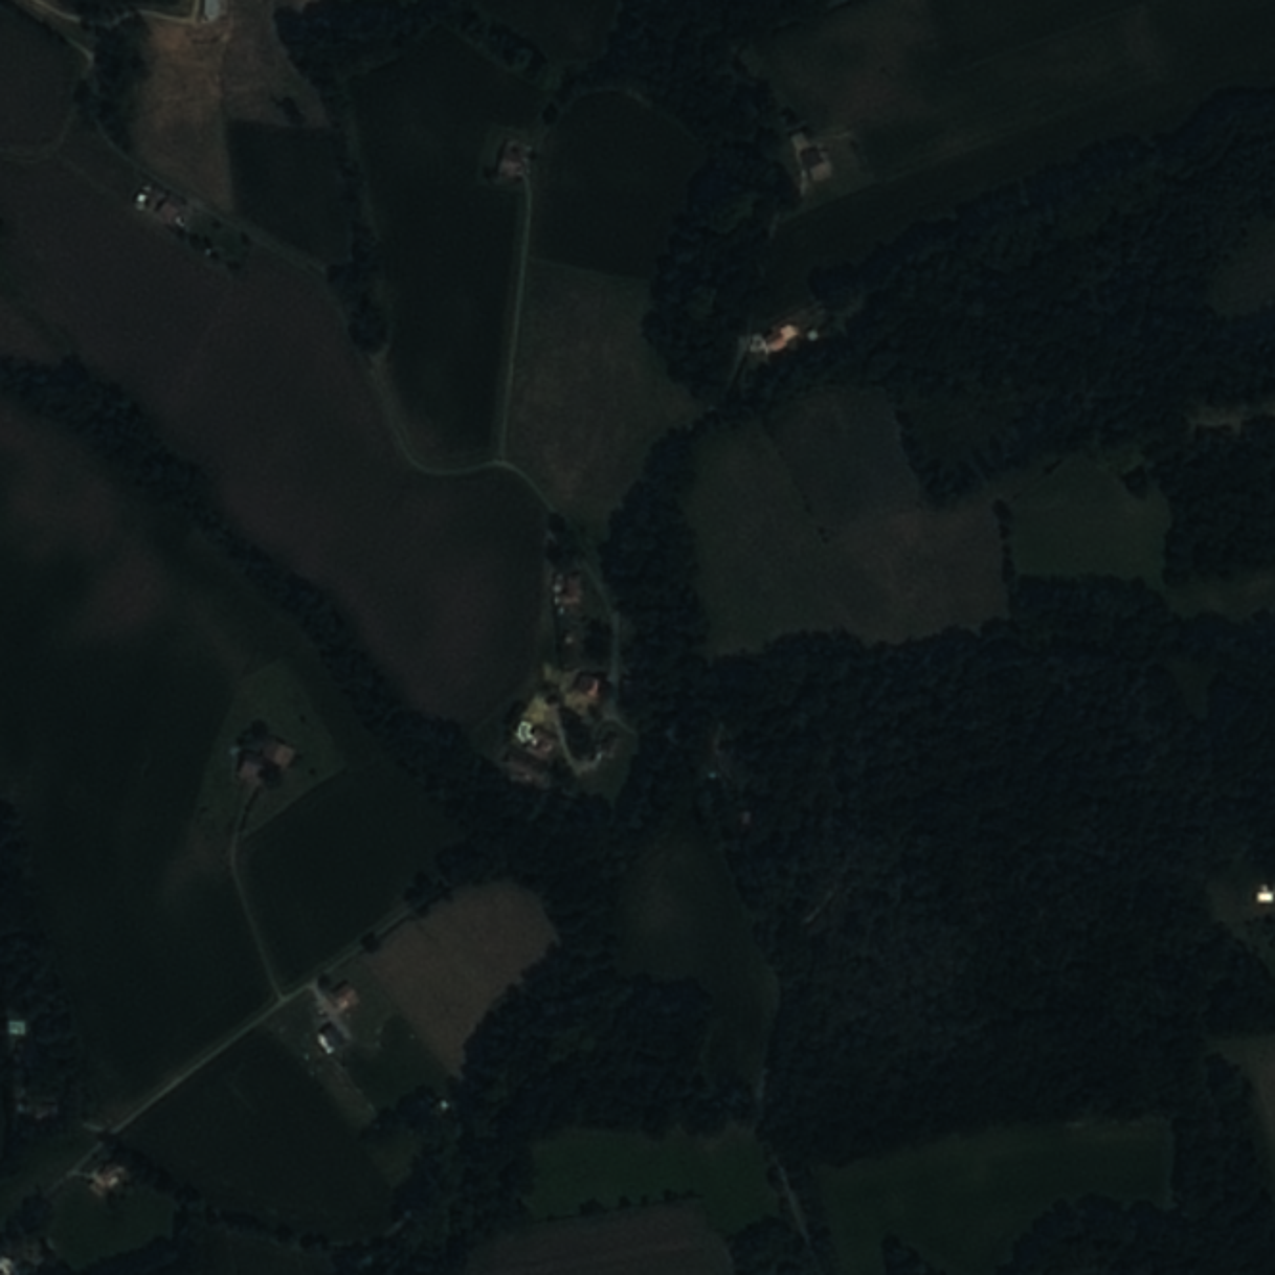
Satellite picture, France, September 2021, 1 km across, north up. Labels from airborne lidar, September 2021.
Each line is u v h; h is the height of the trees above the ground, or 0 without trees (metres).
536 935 0
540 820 22
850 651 16
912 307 22
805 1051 14
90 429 20
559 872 23
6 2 10
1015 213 30
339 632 21
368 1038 0
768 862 20
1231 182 19
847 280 19
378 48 23
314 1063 0
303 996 0
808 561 0
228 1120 0
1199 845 20
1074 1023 25
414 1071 0
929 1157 0
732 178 22
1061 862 23
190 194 0
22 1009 24
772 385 20
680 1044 27
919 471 17
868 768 10
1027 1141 0
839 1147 21
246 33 0
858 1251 0
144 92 0
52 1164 0
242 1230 16
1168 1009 16
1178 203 18
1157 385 19
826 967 11
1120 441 29
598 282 0
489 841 23
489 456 0
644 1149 0
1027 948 24
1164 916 22
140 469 20
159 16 0
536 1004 21
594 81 17
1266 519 19
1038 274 26
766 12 21
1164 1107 23
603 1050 22
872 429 0
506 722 9
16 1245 12
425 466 0
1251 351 20
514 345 0
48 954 6
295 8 0
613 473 0
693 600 15
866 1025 13
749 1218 0
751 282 20
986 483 18
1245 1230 25
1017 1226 0
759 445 0
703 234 21
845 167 0
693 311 26
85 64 0
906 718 15
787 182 19
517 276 0
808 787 16
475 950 0
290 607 18
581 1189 0
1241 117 24
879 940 19
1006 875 22
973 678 19
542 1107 27
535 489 0
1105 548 0
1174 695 18
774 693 13
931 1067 17
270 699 0
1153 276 14
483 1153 28
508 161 0
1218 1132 16
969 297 21
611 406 0
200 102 0
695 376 9
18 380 6
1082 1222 11
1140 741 14
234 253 0
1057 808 26
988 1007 21
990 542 0
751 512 0
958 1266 0
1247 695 23
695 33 13
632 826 19
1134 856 21
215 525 17
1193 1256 22
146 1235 0
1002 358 19
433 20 16
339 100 22
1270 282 0
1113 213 16
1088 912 26
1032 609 27
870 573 0
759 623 0
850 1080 17
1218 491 18
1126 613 23
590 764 0
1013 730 26
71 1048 21
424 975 0
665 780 23
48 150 0
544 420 0
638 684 16
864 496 0
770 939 11
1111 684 19
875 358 14
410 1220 31
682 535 21
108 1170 0
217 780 0
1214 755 21
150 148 0
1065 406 22
